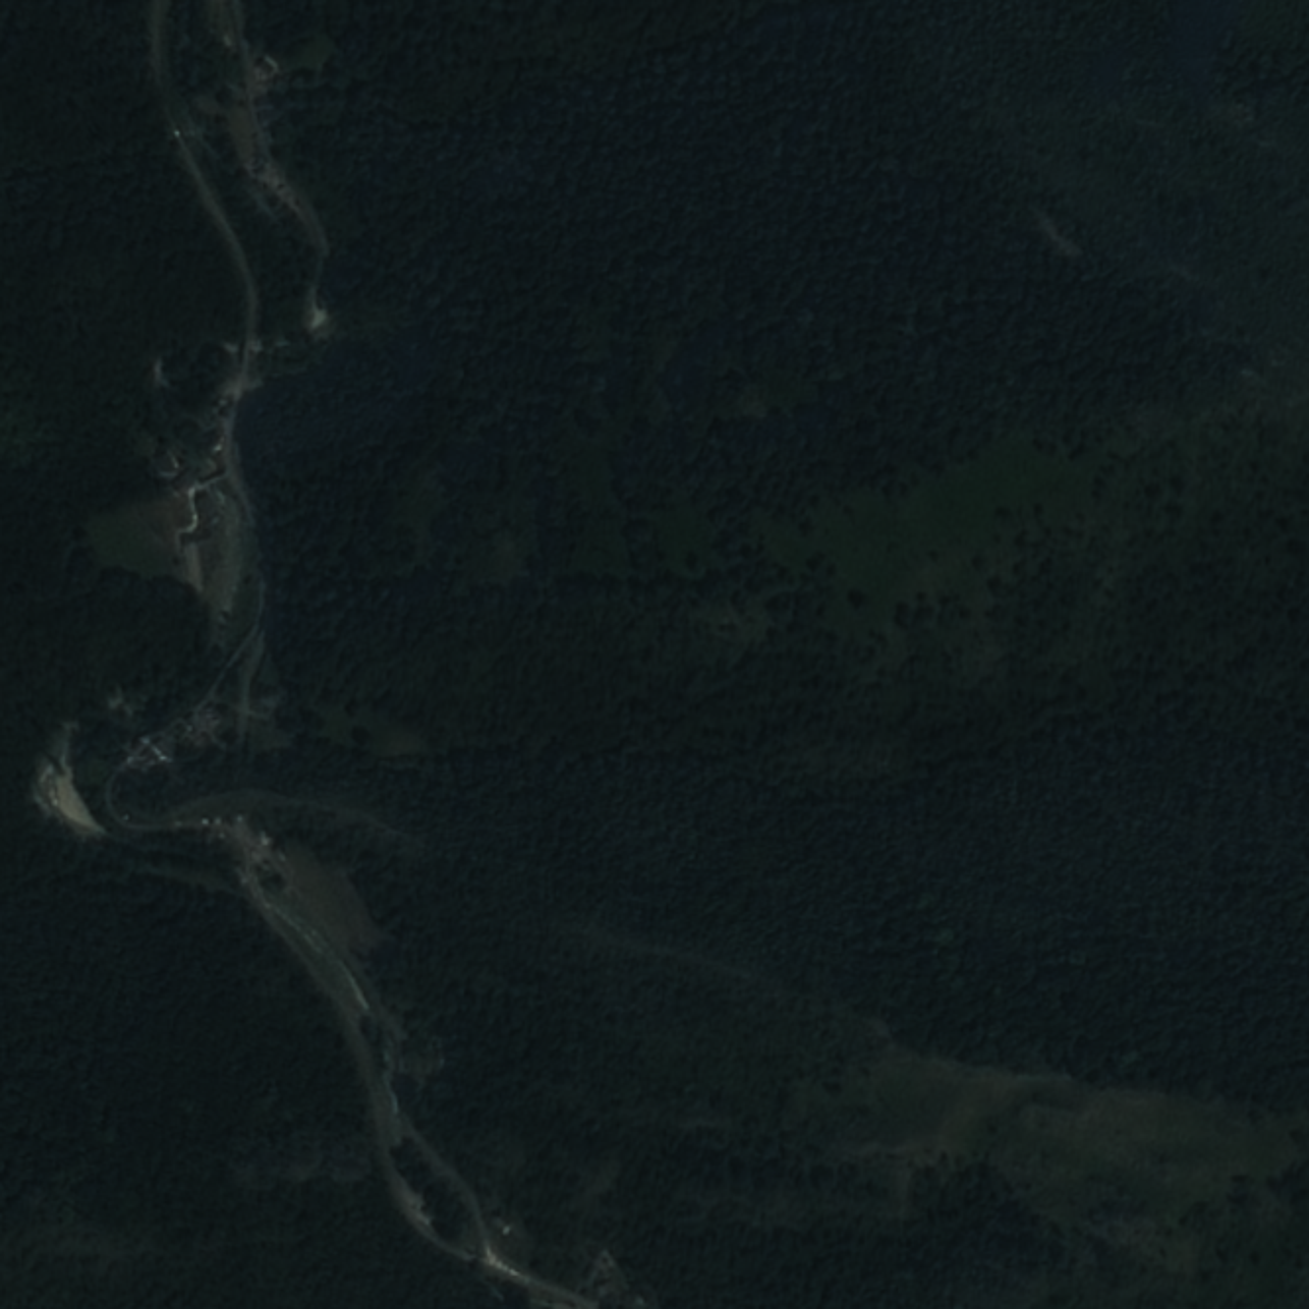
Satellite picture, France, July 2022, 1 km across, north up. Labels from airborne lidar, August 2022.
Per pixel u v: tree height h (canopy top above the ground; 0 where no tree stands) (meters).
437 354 30
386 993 12
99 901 17
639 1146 15
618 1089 7
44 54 22
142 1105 23
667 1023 6
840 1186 14
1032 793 14
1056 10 7
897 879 11
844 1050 8
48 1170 20
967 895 7
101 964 24
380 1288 19
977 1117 0
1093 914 10
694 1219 17
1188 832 6
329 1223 23
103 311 30
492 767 19
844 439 26
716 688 13
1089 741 20
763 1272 15
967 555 0
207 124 21
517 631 23
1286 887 15
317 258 19
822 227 25
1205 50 8
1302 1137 16
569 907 6
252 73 0
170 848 18
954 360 24
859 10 26
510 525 9
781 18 19
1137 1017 17
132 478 32
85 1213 8
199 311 24
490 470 24
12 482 26
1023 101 5
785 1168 15
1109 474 14
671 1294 9
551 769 22
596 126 18
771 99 34
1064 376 10
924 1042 11
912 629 15
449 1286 19
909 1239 11
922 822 16
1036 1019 23
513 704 27
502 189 23
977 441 7
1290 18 5
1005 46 7
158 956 21
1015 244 16
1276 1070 16
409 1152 11
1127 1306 7
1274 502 9
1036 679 12
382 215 29
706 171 30
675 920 7
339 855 13
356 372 22
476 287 22
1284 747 11
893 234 27
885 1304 10
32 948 19
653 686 26
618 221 36
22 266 18
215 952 17
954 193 15
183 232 22
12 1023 17
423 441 23
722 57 29
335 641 21
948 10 9
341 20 18
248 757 11
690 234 30
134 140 22
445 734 25
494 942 11
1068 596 14
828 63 29
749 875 11
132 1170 22
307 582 21
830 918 7
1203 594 16
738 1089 6
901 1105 0
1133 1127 0
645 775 21
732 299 14
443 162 8
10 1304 16
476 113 21
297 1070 24
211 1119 18
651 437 25
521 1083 9
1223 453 11
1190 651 9
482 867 7
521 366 21
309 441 18
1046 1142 0
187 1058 23
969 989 23
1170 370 13
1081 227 11
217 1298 15
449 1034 17
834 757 8
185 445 19
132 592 21
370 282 18
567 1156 6
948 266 31
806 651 10
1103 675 10
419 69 25
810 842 14
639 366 17
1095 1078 13
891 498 18
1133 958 22
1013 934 10
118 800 7
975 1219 10
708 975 7
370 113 16
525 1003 18
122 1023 18
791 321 25
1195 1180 0
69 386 29
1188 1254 0
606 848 16
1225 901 8
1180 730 12
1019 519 15
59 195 27
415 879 11
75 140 24
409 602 23
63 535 7
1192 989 18
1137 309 20
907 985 15
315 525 24
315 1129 22
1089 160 8
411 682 18
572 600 21
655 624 11
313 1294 15
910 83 10
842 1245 17
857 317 30
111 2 21
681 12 29
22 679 34
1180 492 22
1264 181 7
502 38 27
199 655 25
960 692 14
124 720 15
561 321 21
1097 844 8
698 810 8
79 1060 21
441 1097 12
